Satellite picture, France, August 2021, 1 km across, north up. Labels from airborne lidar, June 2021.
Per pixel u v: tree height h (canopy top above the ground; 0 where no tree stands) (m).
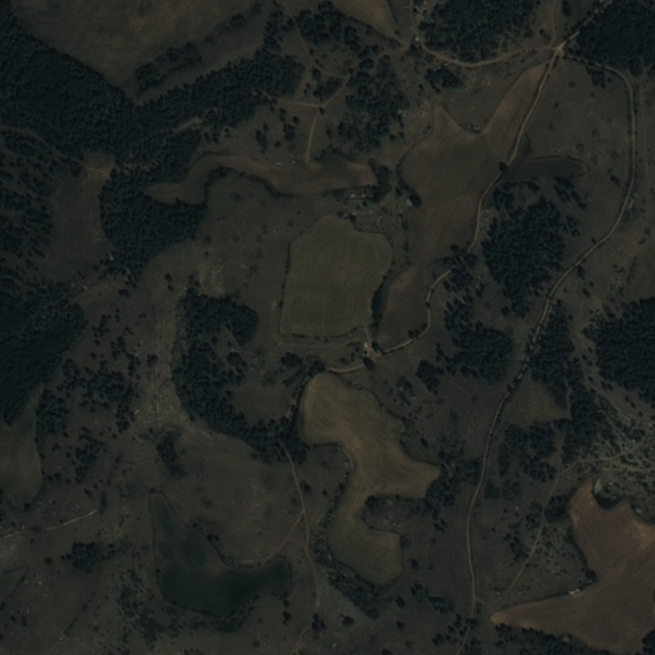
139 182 14
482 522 0
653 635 6
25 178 8
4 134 8
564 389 13
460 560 0
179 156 13
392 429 0
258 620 0
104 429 0
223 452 0
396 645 0
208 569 0
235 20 7
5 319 12
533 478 8
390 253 0
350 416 0
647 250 0
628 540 0
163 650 0
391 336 0
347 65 0
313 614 0
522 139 0
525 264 17
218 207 0
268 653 0
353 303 0
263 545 0
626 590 0
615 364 9
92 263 0
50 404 11
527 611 0
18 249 11
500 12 12
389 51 0
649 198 0
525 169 0
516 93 0
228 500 0
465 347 14
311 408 0
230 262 0
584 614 0
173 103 11
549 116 0
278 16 8
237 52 0
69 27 0
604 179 0
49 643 0
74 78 18
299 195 0
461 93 0
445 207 0
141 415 0
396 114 9
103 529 0
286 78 9
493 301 0
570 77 0
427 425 0
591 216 0
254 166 0
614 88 0
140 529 0
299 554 0
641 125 0
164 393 0
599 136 0
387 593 0
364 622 0
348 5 0
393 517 0
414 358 0
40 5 0
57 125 10
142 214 16
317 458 0
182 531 0
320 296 0
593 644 0
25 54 15
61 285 6
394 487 0
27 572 0
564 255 14
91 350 0
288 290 0
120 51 0
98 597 0
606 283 0
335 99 0
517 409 0
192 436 0
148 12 0
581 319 0
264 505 0
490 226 0
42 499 0
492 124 0
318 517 0
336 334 0
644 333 15
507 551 0
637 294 0
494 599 0
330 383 0
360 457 0
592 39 14
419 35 0
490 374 15
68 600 0
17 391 12
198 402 9
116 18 0
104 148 18
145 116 14
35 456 0
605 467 0
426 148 0
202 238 0
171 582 0
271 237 0
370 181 0
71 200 0
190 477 0
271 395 0
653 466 0
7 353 7
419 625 0
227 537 0
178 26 0
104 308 0
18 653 0
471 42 13
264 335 0
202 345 10
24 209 8
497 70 0
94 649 0
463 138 0
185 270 0
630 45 16
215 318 13
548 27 0
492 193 0
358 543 0
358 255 0
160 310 0
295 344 0
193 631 0
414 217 0
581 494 0
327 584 0
